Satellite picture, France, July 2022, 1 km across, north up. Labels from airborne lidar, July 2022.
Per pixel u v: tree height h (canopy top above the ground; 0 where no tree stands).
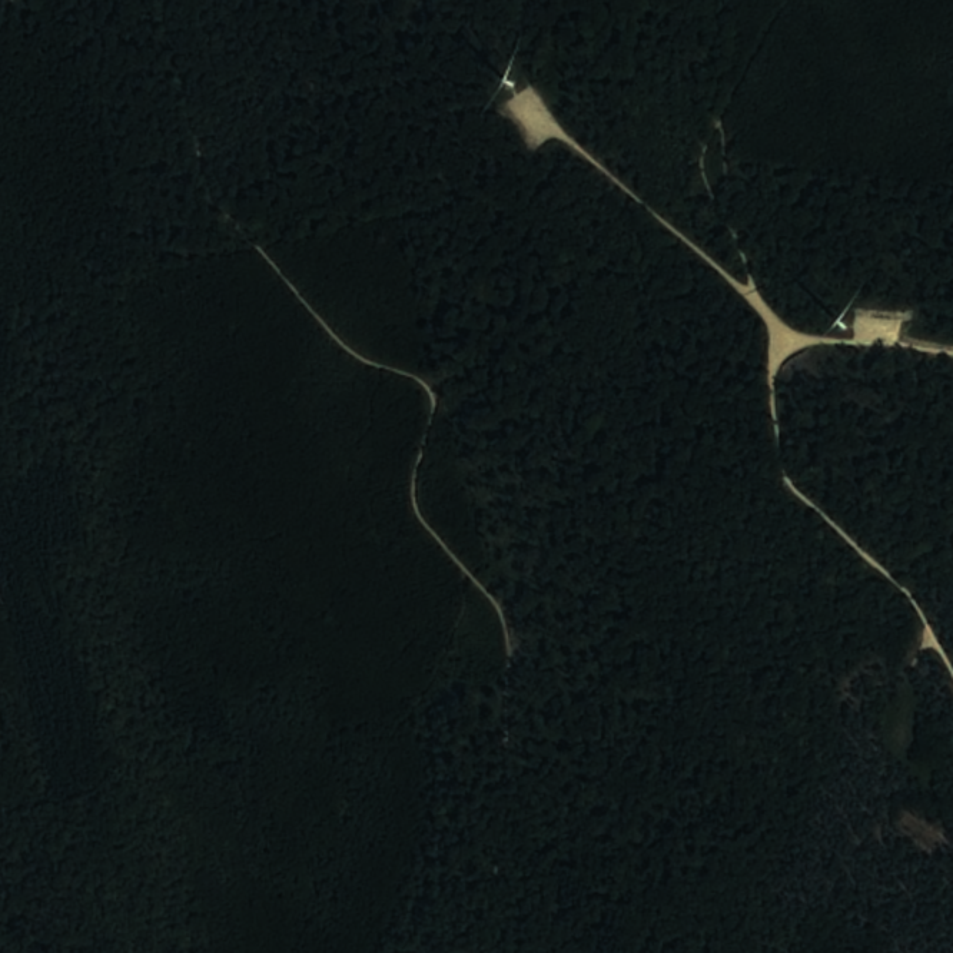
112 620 14
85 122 23
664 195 21
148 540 18
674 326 25
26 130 24
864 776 18
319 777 17
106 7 27
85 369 21
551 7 29
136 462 17
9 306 17
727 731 22
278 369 10
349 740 19
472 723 27
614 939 19
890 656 18
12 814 17
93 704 13
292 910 14
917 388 20
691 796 24
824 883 17
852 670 18
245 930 19
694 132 17
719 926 18
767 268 18
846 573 16
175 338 10
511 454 22
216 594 19
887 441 19
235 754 23
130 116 27
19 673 12
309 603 11
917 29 13
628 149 15
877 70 11
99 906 13
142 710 15
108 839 19
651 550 18
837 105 18
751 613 20
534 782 23
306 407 11
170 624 19
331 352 8
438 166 28
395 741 15
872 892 18
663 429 27
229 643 21
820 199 25
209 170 21
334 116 28
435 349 27
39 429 18
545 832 24
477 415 25
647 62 19
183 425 11
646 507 24
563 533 25
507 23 21
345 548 11
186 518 9
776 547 17
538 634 26
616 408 23
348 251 8
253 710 19
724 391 23
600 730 25
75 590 14
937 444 21
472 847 29
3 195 21
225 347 9
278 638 9
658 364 24
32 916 18
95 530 11
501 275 26
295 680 19
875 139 14
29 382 13
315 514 12
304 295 10
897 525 20
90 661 12
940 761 17
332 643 13
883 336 0
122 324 18
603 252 19
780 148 13
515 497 25
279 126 25
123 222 20
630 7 26
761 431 23
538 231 23
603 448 22
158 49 24
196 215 27
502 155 26
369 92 27
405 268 10
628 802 21
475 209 28
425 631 6
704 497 24
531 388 25
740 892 18
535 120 0
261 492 13
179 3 23
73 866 20
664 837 23
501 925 18
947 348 0
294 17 26
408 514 8
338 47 26
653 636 23
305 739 16
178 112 19
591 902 26
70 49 19
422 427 7
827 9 12
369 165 28
